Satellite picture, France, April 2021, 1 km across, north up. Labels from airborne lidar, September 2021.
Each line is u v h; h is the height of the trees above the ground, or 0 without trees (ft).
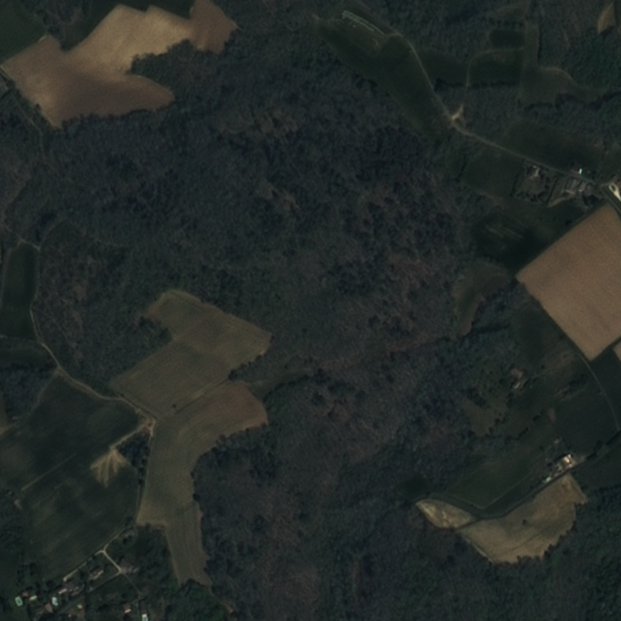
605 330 0
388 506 52
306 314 51
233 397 0
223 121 45
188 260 51
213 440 0
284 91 59
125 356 54
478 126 48
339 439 37
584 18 31
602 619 68
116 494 0
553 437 0
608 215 0
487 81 0
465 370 60
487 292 0
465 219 49
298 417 58
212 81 26
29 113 21
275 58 61
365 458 35
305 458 47
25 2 46
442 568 25
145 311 53
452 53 45
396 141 67
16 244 25
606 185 0
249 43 66
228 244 67
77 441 0
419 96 0
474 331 29
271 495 39
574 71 66
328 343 51
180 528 0
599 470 0
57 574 0
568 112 90
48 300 58
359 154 67
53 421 0
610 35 52
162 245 59
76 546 0
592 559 68
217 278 37
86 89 0
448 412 70
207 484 42
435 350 54
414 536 55
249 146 77
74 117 0
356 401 53
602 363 0
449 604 53
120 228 58
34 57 0
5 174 61
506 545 0
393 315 46
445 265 49
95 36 0
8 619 0
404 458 64
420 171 64
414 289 45
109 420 0
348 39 0
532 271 0
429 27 71
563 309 0
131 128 69
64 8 36
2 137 51
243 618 50
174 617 76
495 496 0
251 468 20
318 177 70
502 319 50
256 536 77
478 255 38
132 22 0
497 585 72
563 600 61
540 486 0
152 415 0
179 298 0
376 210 27
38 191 45
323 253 50
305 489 37
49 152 50
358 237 53
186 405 0
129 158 73
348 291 73
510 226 0
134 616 27
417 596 63
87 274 47
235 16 46
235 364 0
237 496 44
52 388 0
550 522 0
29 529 0
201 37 0
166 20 0
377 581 96
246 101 53
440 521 0
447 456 43
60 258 19
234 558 94
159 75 44
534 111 47
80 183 63
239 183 58
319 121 53
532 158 0
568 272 0
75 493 0
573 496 0
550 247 0
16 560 0
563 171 0
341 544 97
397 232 51
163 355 0
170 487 0
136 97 0
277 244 57
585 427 0
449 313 60
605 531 60
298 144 76
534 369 0
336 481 30
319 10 52
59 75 0
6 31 0
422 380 69
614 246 0
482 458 30
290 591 26
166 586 64
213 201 66
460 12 20
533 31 0
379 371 50
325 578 44
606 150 21
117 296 59
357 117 53
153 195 80
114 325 65
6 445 0
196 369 0
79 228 32
